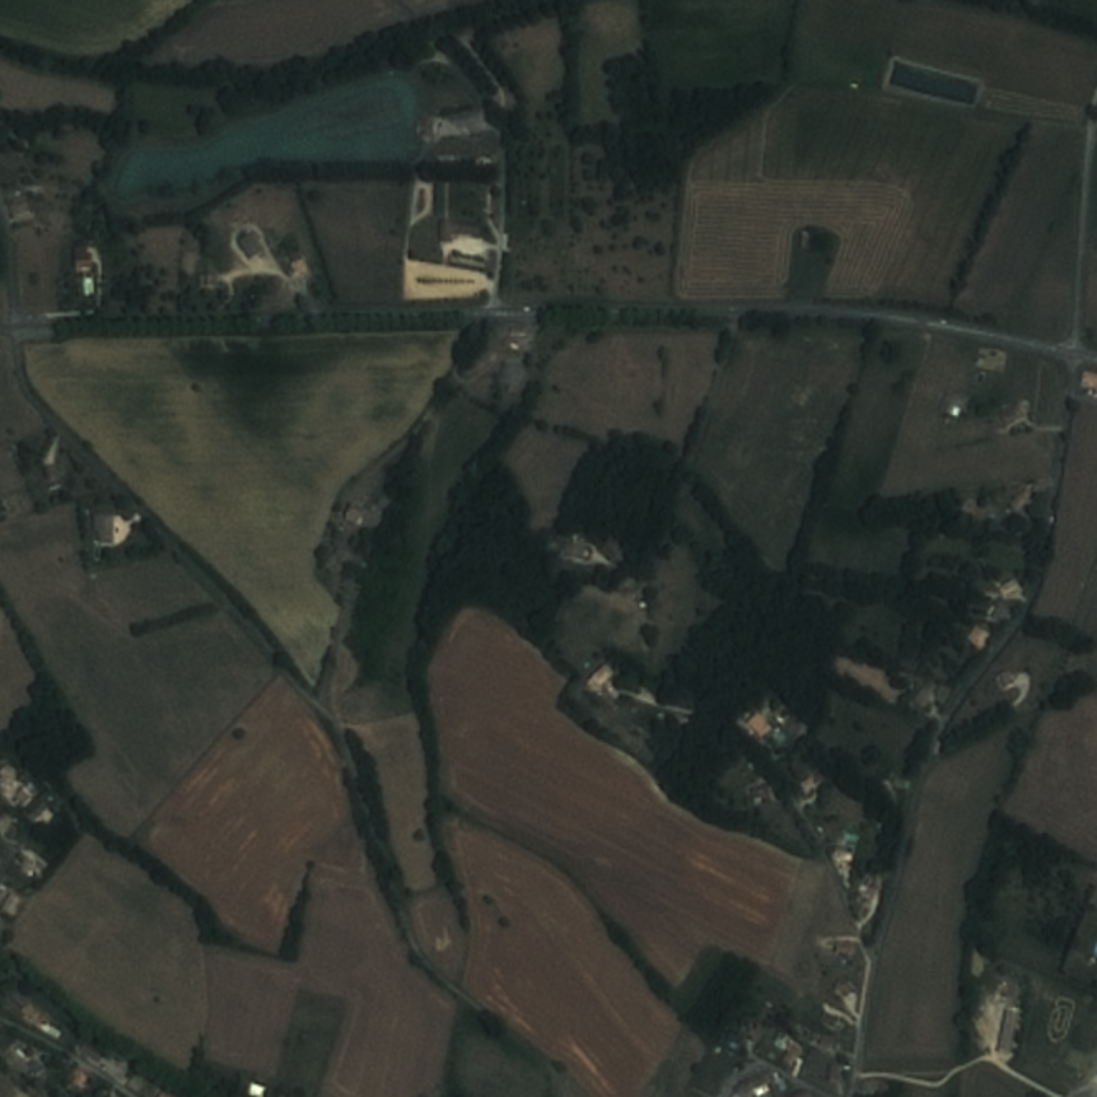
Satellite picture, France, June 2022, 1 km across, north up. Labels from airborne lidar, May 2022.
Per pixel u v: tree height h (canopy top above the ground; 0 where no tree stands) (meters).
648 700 0
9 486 0
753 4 0
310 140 0
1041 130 0
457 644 0
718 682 23
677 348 0
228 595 7
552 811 0
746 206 0
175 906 0
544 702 0
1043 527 21
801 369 0
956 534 17
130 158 0
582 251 0
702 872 0
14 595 0
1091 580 0
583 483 19
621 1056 0
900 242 0
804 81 0
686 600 0
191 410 0
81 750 17
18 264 0
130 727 0
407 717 0
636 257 0
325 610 0
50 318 0
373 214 0
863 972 0
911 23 0
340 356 0
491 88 16
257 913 0
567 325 24
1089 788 0
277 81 13
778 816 0
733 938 0
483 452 7
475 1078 0
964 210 0
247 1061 0
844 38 0
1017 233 0
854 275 0
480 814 0
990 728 19
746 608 18
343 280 0
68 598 0
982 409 8
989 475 0
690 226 0
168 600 0
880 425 0
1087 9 0
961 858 0
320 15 0
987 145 0
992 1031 0
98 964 0
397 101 0
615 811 0
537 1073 0
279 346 0
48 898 0
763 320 14
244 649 0
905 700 10
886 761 7
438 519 0
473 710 0
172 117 0
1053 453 0
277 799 0
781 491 0
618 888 0
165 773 0
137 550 11
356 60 26
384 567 6
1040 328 0
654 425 0
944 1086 0
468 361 18
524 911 0
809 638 19
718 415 0
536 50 0
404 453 5
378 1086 0
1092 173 0
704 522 0
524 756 0
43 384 0
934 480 0
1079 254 0
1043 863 7
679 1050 0
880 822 12
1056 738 0
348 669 0
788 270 0
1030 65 0
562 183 0
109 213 9
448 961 0
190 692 0
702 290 0
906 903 0
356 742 14
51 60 14
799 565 15
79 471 10
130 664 0
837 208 0
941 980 0
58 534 0
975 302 0
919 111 0
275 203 0
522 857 0
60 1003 20
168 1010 0
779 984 0
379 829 10
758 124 0
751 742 16
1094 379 0
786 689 20
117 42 0
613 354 0
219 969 0
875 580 14
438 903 0
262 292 9
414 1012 0
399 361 0
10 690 0
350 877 0
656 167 17
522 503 10
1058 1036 0
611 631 0
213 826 0
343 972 0
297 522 0
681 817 0
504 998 0
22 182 6
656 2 0
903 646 11
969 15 0
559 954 0
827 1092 0
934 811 0
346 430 0
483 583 6
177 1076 23
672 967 0
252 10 0
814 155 0
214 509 0
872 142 0
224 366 0
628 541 13
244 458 0
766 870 0
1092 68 0
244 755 0
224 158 0
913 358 0
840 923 0
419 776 0
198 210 9
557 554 7
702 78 0
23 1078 6
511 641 0
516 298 0
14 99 0
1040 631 23
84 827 6
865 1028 0
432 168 24
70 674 0
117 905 0
